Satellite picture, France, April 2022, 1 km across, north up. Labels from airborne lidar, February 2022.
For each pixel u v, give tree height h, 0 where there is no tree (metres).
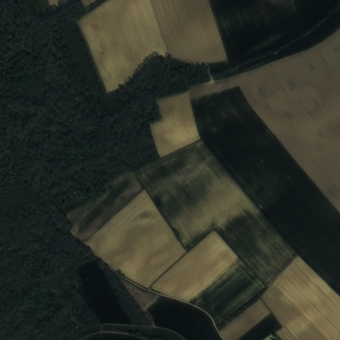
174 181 0
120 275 18
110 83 0
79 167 32
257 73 0
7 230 32
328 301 0
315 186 0
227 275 0
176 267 0
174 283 0
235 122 0
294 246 0
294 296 0
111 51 0
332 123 0
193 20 0
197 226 0
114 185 0
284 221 0
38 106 33
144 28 0
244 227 0
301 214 0
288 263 0
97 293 0
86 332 0
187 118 0
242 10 0
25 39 32
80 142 18
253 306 0
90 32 0
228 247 0
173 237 0
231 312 0
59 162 17
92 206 0
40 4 0
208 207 0
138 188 0
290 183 0
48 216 34
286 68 0
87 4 0
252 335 0
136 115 36
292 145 0
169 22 0
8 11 30
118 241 0
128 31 0
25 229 30
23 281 19
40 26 26
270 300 0
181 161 0
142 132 27
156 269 0
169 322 0
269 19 0
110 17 0
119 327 0
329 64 0
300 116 0
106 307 0
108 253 0
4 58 26
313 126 0
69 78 33
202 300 0
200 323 0
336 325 0
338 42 0
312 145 0
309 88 0
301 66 0
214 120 0
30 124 38
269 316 0
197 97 0
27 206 28
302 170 0
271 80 0
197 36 0
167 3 0
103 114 0
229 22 0
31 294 30
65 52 32
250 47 0
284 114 0
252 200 0
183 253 0
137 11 0
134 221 0
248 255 0
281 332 0
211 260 0
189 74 11
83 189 31
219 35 0
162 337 14
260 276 0
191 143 0
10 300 23
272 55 0
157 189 0
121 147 30
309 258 0
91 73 23
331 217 0
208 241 0
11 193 23
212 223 0
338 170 0
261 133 0
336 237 0
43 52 28
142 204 0
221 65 0
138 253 0
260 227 0
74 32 24
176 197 0
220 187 0
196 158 0
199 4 0
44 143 36
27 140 29
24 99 31
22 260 21
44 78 23
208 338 0
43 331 28
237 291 0
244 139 0
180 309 0
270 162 0
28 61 30
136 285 0
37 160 34
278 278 0
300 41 0
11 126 31
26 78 27
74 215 0
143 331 0
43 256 14
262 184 0
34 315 32
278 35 0
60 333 31
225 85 0
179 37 0
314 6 0
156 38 0
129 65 0
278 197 0
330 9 0
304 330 0
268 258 0
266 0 0
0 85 27
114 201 0
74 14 28
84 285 0
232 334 0
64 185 36
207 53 0
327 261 0
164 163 0
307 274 0
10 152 26
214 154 0
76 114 28
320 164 0
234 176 0
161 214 0
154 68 32
